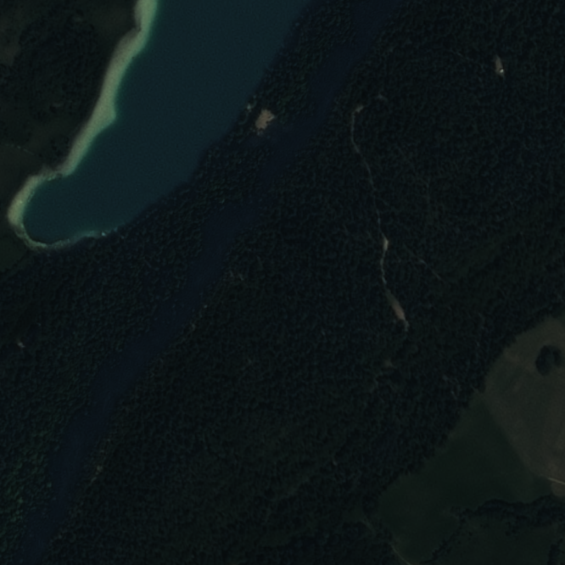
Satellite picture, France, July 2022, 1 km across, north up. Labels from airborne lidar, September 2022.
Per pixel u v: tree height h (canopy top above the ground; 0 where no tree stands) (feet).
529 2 32
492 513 83
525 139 94
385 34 62
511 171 99
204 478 47
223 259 38
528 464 0
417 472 76
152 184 0
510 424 0
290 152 28
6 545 67
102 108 0
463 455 0
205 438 56
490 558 0
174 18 0
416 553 0
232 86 0
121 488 66
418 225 46
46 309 92
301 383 89
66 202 0
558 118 67
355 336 77
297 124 98
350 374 82
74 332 60
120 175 0
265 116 0
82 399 87
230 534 84
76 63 70
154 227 87
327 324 33
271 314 35
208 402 19
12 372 104
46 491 85
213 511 83
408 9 67
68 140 30
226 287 31
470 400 57
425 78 34
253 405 73
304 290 65
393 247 51
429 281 62
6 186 0
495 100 66
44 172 0
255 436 20
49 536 20
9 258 0
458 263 32
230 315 34
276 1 0
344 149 58
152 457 48
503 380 0
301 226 36
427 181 19
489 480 0
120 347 35
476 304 69
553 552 43
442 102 43
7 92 29
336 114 52
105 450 31
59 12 49
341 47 99
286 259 73
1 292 73
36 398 79
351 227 77
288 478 55
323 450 45
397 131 36
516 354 0
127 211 0
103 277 84
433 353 82
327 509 56
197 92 0
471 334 46
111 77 0
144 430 19
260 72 0
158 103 0
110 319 80
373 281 79
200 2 0
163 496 51
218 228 88
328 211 42
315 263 41
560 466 0
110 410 49
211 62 0
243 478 69
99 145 0
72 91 28
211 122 0
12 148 0
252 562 94
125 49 0
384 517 0
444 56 49
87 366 73
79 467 28
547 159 59
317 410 68
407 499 0
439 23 68
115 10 0
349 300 32
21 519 59
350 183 60
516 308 54
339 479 85
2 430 96
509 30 36
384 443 90
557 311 92
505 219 58
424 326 85
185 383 37
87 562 69
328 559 93
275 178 41
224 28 0
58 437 63
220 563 81
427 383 77
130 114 0
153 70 0
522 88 58
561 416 0
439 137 55
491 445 0
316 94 103
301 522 83
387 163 36
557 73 61
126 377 38
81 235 0
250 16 0
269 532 103
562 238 90
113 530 28
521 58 67
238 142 47
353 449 34
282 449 65
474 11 41
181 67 0
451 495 0
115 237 60
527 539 0
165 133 0
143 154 0
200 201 91
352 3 66
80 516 52
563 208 83
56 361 86
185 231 105
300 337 87
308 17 73
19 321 52
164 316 61
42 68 53
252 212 62
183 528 73
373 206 30
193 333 31
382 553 39
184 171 0
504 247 75
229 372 34
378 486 32
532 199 61
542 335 0
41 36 48
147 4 0
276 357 35
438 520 0
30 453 60
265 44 0
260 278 35
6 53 0
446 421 30
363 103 39
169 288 79
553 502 48
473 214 69
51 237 0
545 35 66
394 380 91
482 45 56
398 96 47
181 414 77
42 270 86
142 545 28
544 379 0
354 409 72
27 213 0
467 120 66
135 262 93
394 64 56
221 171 110
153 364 39
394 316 60
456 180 31
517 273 78
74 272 92
